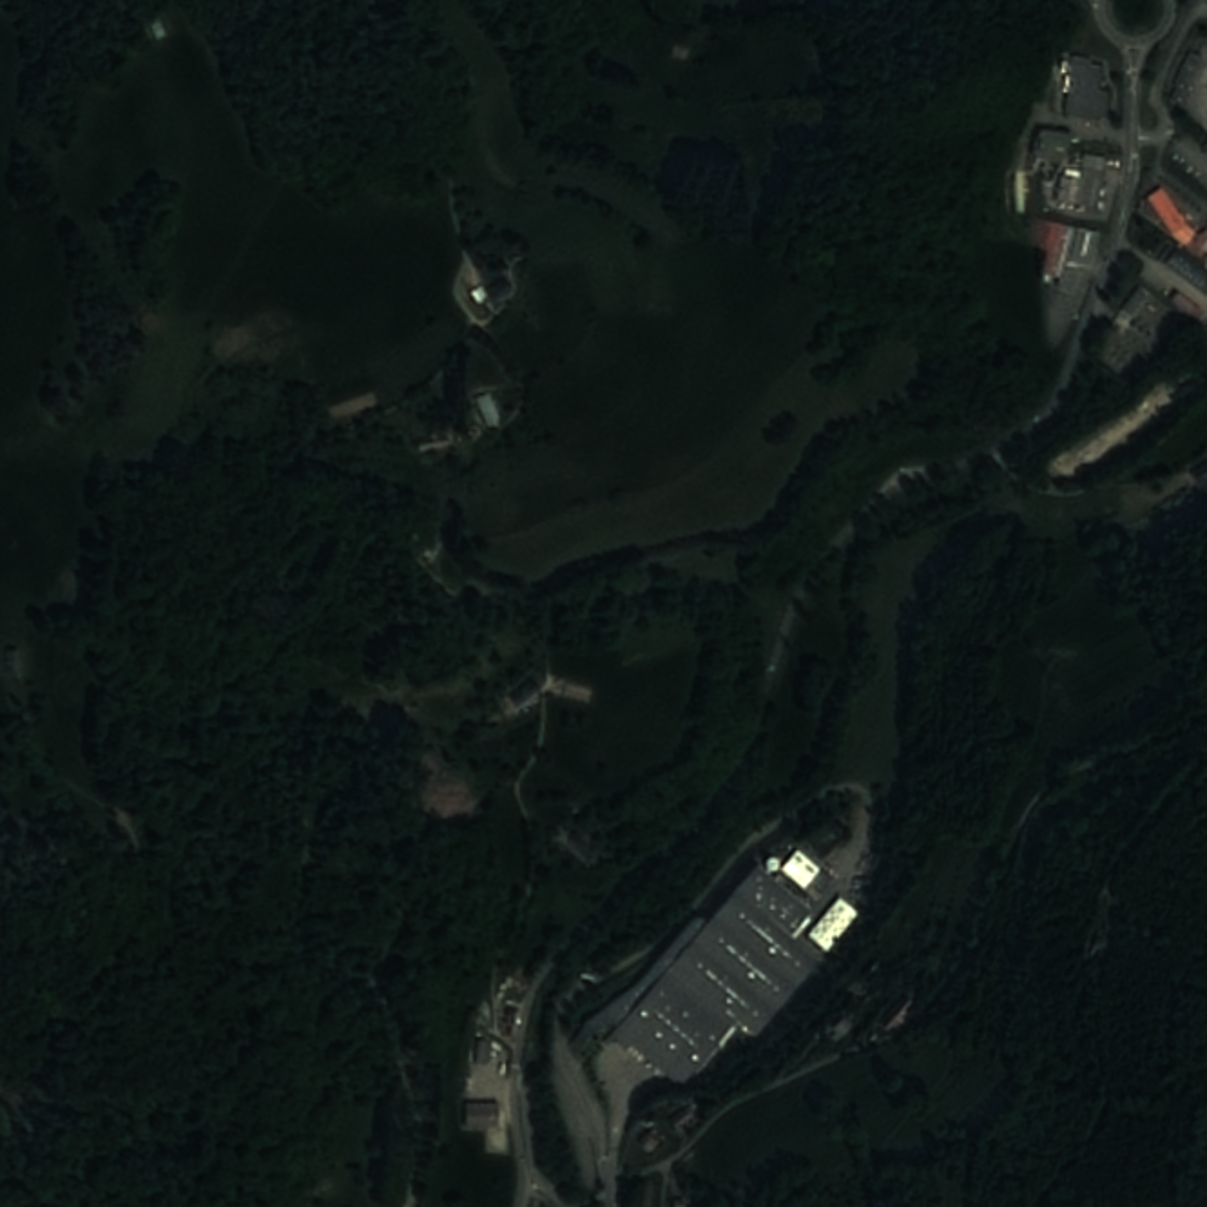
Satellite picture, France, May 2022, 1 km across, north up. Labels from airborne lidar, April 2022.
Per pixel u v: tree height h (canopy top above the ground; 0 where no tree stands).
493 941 7
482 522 0
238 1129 18
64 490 0
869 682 20
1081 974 10
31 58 11
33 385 0
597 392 0
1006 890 9
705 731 24
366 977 9
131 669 29
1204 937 12
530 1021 0
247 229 0
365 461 9
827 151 19
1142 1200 12
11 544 0
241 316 0
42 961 19
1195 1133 16
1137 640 0
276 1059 30
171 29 0
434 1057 25
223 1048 23
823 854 0
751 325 0
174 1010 15
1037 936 15
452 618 26
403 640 25
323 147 24
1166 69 0
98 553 27
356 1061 32
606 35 27
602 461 0
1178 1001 19
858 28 25
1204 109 0
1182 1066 17
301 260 0
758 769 19
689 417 0
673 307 0
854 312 19
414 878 31
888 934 0
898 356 0
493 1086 0
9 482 0
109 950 8
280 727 14
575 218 0
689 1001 0
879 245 26
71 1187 31
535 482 0
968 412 20
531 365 0
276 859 12
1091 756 16
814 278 18
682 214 23
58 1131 36
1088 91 0
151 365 0
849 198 20
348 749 28
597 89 0
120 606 25
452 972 9
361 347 0
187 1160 23
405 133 22
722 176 34
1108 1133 13
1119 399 12
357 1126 0
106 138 0
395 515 21
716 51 0
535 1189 0
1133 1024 8
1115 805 17
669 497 0
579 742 0
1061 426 19
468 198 10
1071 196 0
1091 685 0
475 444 0
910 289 28
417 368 0
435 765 0
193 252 0
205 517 23
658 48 0
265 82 20
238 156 0
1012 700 0
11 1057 23
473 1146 0
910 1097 26
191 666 22
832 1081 0
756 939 0
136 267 17
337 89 25
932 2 24
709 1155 0
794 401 0
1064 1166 8
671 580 19
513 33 18
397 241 0
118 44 11
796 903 0
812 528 17
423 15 30
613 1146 0
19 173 18
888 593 0
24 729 21
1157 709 20
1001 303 0
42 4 19
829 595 0
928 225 35
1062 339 0
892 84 24
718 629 18
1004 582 27
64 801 22
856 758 0
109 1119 22
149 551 27
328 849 27
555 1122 18
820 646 0
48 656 0
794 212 15
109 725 21
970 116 21
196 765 35
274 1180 22
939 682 11
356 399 0
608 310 0
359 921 31
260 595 23
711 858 23
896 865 7
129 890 16
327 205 14
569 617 11
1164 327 0
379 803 32
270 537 21
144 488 27
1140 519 0
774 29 15
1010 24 14
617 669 0
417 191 22
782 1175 15
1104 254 0
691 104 0
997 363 30
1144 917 8
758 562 18
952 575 29
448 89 24
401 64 23
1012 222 0
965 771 18
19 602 0
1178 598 30
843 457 32
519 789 0
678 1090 21
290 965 30
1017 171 0
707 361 0
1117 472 18
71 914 21
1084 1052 10
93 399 0
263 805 26
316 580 20
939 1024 14
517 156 0
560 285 0
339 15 16
